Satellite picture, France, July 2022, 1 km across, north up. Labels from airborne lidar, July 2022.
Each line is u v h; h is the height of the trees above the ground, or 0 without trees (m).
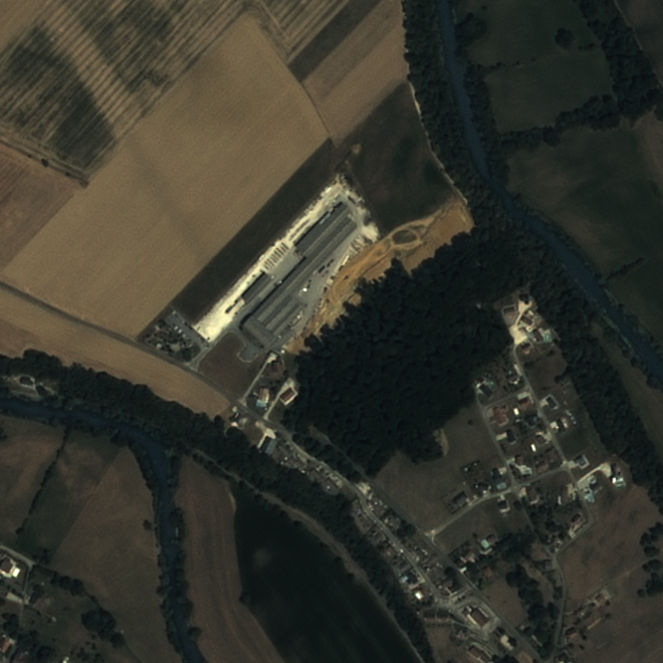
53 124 0
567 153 0
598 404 16
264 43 0
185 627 0
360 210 0
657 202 0
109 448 0
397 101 0
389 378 34
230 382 0
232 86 0
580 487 0
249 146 0
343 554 0
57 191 0
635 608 0
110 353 0
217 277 0
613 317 0
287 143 0
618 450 16
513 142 18
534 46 0
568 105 0
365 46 0
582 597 0
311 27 0
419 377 37
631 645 0
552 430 0
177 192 0
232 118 0
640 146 0
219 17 0
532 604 12
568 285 22
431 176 0
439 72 21
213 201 0
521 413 0
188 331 0
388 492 0
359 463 22
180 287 0
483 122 20
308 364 25
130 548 0
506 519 0
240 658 0
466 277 31
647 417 0
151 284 0
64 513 0
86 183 0
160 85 0
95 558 0
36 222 0
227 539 0
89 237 0
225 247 0
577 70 0
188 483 0
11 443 0
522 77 0
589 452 0
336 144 0
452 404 26
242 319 0
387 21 0
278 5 0
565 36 22
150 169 0
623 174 0
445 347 29
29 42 0
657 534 17
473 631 0
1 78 0
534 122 0
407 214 0
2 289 0
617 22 13
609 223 0
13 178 0
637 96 26
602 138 0
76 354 0
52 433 0
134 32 0
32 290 0
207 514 0
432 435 27
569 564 0
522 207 9
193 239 0
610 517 0
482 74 7
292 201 0
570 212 0
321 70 0
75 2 0
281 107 0
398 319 30
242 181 0
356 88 0
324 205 0
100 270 0
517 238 24
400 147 0
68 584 18
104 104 0
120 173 0
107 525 0
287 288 0
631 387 0
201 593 0
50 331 0
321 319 0
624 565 0
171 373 0
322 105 0
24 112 0
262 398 0
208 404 0
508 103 0
